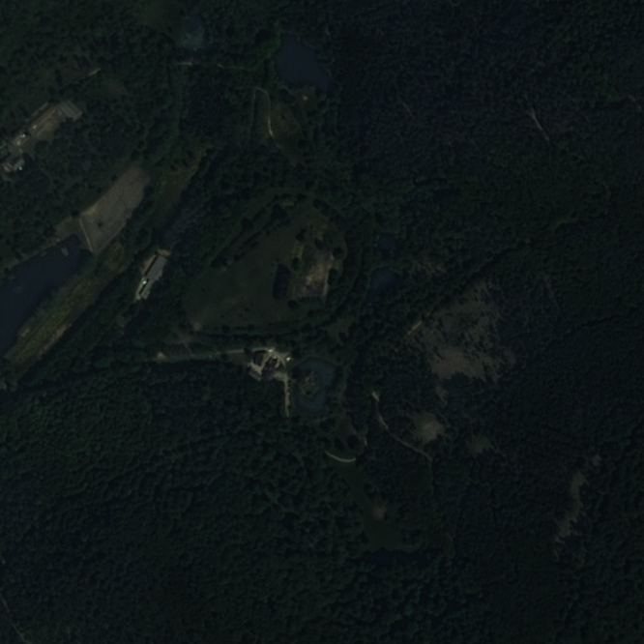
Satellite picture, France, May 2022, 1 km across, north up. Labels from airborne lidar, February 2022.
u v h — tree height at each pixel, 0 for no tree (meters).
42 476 26
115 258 0
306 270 0
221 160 20
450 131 28
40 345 0
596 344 20
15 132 7
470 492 20
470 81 25
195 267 22
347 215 15
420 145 24
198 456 26
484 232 15
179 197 0
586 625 26
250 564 34
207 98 12
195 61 27
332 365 0
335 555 35
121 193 0
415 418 0
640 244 21
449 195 35
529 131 29
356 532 21
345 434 0
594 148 18
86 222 0
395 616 31
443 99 28
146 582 26
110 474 28
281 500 29
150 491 29
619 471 26
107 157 16
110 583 25
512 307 18
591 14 21
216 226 24
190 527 23
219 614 25
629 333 22
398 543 0
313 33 24
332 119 16
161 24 0
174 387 31
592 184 23
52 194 8
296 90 19
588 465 22
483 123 26
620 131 16
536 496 28
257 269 0
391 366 20
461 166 26
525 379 20
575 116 29
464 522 18
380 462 19
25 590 13
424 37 24
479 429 19
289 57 0
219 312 0
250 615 26
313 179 18
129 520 26
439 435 0
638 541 23
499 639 24
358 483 0
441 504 15
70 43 39
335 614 28
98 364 25
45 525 22
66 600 25
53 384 23
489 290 0
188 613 24
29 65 25
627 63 16
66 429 22
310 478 34
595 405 16
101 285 0
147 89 15
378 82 10
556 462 19
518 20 26
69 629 25
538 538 23
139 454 29
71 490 26
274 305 0
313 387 0
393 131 27
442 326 0
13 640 23
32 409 24
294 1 26
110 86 0
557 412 19
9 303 0
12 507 34
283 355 0
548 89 28
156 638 20
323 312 15
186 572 26
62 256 0
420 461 17
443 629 40
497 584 24
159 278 0
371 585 38
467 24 14
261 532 27
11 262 0
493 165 22
